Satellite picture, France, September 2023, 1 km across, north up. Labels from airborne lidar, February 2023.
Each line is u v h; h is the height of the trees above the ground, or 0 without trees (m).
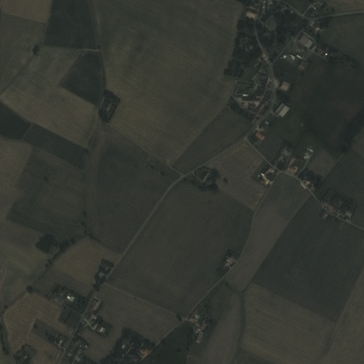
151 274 0
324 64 0
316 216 0
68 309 0
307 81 0
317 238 0
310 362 0
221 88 0
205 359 0
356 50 0
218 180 0
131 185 0
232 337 0
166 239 0
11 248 0
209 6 0
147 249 0
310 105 0
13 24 0
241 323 0
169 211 0
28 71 0
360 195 0
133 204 0
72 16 0
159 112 0
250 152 0
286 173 0
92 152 0
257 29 12
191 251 0
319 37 9
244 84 0
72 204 0
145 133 0
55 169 0
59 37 0
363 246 0
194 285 0
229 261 0
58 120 0
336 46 0
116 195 0
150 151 0
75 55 0
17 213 0
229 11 0
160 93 0
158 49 0
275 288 0
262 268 0
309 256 0
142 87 0
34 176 0
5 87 0
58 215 0
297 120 0
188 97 0
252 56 16
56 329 0
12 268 0
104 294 0
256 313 0
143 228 0
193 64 0
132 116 0
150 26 0
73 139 0
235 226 0
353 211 0
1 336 6
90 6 0
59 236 0
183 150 0
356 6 0
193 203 0
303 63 0
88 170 0
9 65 0
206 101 0
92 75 0
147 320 0
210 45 0
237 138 0
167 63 0
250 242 0
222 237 0
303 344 0
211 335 0
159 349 0
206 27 0
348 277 0
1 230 0
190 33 0
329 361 0
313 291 0
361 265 0
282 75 6
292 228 0
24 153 0
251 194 0
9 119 0
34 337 0
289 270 0
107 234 0
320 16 0
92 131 0
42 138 0
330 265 0
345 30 0
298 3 0
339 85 0
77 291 0
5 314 0
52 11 0
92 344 0
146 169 0
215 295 0
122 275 0
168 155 0
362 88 0
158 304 0
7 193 0
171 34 0
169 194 0
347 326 0
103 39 0
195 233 0
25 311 0
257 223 0
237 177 0
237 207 0
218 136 0
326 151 0
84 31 0
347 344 0
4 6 0
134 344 13
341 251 0
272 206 0
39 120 0
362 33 0
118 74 0
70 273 0
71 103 0
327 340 0
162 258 0
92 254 0
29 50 0
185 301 0
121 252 0
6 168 0
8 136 0
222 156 0
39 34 0
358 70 0
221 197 0
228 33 0
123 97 0
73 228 0
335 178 0
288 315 0
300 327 0
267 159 0
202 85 0
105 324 0
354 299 0
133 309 0
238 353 0
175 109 0
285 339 0
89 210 0
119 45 0
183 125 0
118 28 0
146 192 0
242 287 0
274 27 0
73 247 0
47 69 0
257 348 0
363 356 0
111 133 0
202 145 0
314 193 0
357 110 0
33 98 0
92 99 0
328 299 0
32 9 0
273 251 0
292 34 8
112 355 16
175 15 0
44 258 0
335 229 0
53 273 0
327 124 0
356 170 0
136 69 0
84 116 0
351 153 0
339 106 0
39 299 0
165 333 0
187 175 0
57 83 0
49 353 0
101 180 0
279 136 0
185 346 0
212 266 0
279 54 0
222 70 0
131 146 0
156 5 0
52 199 0
